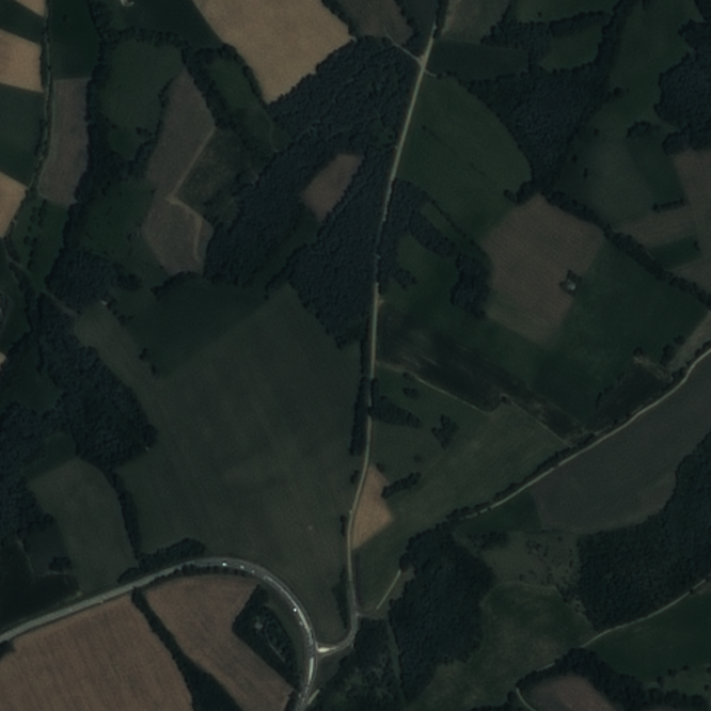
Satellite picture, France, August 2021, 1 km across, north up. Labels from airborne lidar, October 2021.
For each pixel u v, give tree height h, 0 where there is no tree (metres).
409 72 13
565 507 0
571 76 18
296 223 11
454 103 0
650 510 0
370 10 0
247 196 13
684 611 0
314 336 0
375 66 11
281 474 0
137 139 0
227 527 0
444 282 0
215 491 0
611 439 0
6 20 0
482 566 13
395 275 11
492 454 0
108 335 0
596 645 0
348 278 20
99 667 0
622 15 13
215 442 0
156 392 0
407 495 0
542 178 14
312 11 0
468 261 15
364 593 0
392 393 0
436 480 0
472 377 0
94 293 19
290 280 10
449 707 0
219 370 0
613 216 0
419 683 15
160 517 0
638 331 0
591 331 0
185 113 0
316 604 0
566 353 0
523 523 0
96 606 0
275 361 0
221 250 13
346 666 12
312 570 0
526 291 0
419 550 18
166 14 0
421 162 0
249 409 0
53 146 0
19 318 0
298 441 0
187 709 0
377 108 9
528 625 0
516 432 0
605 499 0
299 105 11
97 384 9
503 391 0
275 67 0
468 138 0
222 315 0
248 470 0
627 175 0
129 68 0
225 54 16
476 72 0
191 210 0
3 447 18
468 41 0
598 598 14
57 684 0
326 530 0
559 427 0
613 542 6
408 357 0
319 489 0
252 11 0
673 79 17
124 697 0
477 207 0
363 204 12
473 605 18
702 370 0
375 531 0
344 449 0
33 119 0
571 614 0
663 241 0
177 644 7
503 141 0
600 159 0
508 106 15
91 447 13
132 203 0
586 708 0
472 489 0
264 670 0
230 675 0
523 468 0
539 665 0
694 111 19
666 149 9
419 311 0
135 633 0
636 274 0
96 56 0
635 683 19
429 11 0
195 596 0
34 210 8
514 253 0
